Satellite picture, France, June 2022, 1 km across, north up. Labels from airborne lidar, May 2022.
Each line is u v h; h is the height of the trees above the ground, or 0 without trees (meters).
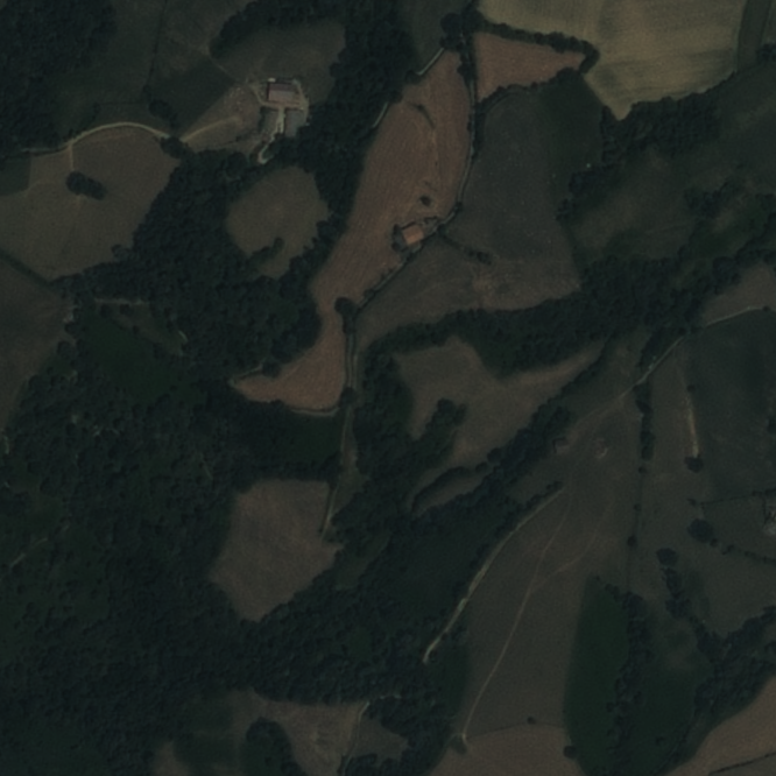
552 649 0
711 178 0
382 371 15
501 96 7
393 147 0
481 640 0
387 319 0
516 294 0
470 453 0
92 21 19
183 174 14
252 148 0
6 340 0
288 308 0
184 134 0
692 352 0
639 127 17
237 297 28
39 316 0
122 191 0
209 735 0
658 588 0
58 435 12
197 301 24
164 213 17
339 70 16
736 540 0
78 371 13
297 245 0
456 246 7
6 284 0
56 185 0
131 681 14
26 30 23
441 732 7
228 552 0
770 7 0
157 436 15
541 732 0
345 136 12
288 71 0
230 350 15
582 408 0
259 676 11
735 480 0
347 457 0
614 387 0
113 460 24
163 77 0
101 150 0
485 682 0
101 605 0
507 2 0
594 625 0
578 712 0
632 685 19
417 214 0
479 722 0
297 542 0
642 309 19
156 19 0
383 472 14
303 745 0
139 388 0
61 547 16
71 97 0
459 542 0
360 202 0
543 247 0
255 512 0
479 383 0
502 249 0
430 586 0
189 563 27
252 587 0
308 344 20
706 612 0
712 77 0
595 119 0
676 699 0
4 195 0
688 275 0
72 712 20
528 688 0
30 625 16
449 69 0
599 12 0
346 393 14
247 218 0
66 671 15
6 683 18
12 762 0
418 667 19
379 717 14
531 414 0
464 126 0
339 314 12
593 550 0
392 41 17
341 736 0
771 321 0
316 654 19
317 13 11
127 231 0
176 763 0
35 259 0
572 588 0
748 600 0
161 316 7
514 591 0
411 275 0
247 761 0
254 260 8
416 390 0
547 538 0
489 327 18
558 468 0
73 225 0
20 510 21
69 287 17
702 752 0
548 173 0
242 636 12
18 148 13
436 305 0
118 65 0
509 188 0
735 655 19
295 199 0
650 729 0
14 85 16
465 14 13
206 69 0
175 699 17
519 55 0
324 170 21
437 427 14
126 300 15
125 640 12
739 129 0
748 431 0
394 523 18
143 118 0
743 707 0
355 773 12
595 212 0
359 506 19
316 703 7
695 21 0
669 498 0
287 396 0
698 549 0
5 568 13
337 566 9
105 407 25
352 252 0
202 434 26
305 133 16
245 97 0
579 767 0
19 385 0
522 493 0
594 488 0
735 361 0
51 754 0
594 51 8
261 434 25
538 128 0
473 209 0
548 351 15
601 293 15
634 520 0
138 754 14
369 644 0
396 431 8
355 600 18
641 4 0
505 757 0
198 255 23
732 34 0
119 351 0
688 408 0
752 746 0
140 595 12
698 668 0
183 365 14
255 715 0
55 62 22
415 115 0
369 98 16
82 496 16
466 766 0
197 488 17
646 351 10
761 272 0
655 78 0
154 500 10
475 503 12
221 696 0
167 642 14
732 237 0
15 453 11
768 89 0
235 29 18
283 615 15
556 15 0
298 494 0
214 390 12
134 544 24
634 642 9
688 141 12
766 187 0
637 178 0
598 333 14
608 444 0
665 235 0
